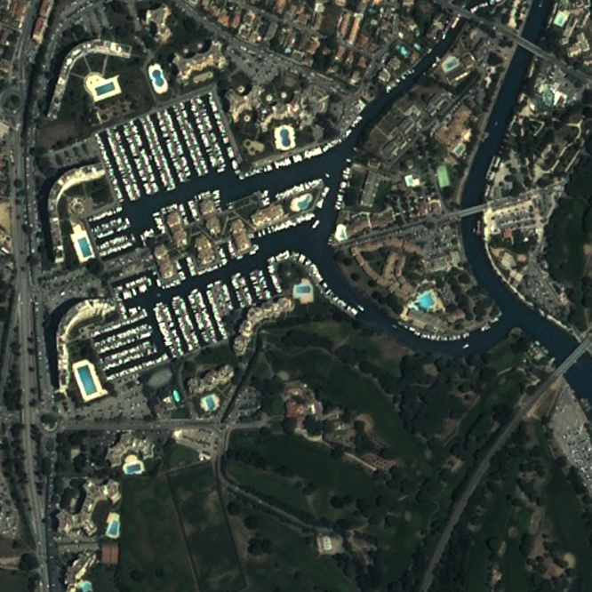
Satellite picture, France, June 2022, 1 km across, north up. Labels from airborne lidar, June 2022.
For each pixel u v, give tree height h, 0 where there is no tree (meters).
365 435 9
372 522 14
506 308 0
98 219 0
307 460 0
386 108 8
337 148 0
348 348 17
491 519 0
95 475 14
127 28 7
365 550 0
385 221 0
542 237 0
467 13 0
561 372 0
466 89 13
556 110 10
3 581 0
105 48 0
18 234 0
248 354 0
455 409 18
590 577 0
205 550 0
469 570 0
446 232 0
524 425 10
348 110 0
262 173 0
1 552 0
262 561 0
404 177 7
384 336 0
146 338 0
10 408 9
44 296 0
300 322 14
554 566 0
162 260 0
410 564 0
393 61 0
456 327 9
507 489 0
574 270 0
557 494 0
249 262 0
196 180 0
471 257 0
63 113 0
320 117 13
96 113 8
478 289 8
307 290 0
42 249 14
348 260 13
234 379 10
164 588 0
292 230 0
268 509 10
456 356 0
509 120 8
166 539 0
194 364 13
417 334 0
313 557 0
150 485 0
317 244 0
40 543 0
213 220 0
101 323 6
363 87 0
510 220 0
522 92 8
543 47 10
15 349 13
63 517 0
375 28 6
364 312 0
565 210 15
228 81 11
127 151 0
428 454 0
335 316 12
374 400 0
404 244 0
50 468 11
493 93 13
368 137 11
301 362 0
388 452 17
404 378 14
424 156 10
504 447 7
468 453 16
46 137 0
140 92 0
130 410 0
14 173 0
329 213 0
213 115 0
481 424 17
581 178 16
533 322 0
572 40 8
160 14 0
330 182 0
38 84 14
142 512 0
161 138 0
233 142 0
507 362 0
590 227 15
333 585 0
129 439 0
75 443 15
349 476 0
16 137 0
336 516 0
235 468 0
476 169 0
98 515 0
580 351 0
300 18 0
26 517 7
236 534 0
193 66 0
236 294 0
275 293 0
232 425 0
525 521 0
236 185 0
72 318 0
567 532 0
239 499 8
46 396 0
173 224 0
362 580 23
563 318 9
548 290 0
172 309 0
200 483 0
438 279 11
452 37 0
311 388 8
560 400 0
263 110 0
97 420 7
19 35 8
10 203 0
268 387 15
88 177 0
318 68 9
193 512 0
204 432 0
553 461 0
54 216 0
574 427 0
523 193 10
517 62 0
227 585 0
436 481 13
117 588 8
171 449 7
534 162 12
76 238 0
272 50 7
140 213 0
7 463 13
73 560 0
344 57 6
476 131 13
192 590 0
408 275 11
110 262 0
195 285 0
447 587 9
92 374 0
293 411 0
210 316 0
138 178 0
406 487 16
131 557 0
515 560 0
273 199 0
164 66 13
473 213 0
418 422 19
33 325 0
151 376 0
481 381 8
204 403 0
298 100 0
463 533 15
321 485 0
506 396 0
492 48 0
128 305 0
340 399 0
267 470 7
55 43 0
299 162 0
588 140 11
